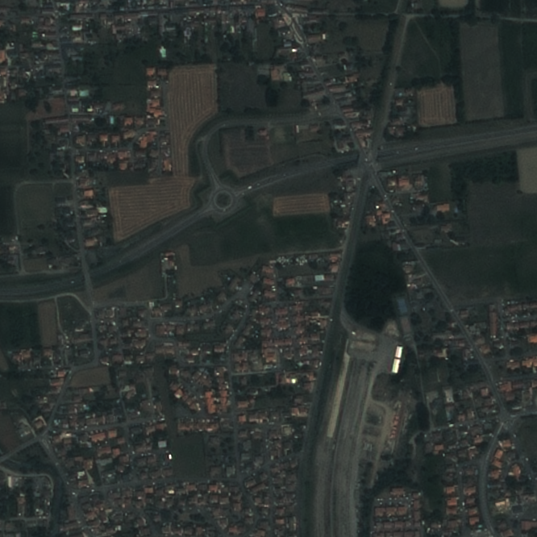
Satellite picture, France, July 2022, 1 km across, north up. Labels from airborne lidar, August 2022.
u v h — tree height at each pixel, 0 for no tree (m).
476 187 0
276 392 11
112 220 8
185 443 0
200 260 0
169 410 0
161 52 0
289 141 0
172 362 7
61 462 0
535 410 0
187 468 0
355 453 0
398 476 13
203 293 7
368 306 8
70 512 0
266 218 0
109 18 0
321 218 0
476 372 9
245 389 8
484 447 12
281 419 0
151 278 0
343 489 0
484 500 0
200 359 0
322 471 0
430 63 0
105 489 0
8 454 0
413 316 7
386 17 9
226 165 0
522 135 0
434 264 0
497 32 0
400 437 0
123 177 0
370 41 0
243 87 0
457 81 11
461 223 5
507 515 0
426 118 0
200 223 0
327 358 0
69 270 0
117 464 6
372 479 0
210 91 0
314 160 0
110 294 0
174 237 0
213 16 0
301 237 0
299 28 0
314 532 0
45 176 0
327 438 0
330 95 0
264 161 0
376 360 0
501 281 0
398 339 0
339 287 0
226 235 0
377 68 0
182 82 0
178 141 0
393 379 6
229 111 11
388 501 0
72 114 0
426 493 0
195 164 0
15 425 0
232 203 0
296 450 6
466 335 0
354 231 0
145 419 0
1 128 0
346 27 9
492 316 0
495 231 0
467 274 0
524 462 0
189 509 0
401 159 0
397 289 6
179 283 0
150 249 0
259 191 0
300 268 0
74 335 0
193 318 0
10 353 0
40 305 0
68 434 0
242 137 0
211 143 0
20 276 0
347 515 0
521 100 0
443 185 0
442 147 0
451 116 0
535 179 0
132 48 6
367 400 0
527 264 0
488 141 0
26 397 15
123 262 0
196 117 0
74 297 0
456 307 0
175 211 0
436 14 12
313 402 0
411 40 0
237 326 0
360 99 6
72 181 0
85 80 0
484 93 0
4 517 10
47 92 6
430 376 0
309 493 0
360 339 0
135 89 0
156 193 0
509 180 8
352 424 0
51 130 10
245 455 0
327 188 0
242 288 0
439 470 0
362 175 0
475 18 17
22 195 0
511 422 0
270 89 8
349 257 0
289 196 0
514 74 0
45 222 0
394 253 6
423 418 20
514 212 0
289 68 9
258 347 6
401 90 0
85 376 0
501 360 0
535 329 7
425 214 14
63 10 7
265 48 0
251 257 0
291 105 0
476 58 0
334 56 0
